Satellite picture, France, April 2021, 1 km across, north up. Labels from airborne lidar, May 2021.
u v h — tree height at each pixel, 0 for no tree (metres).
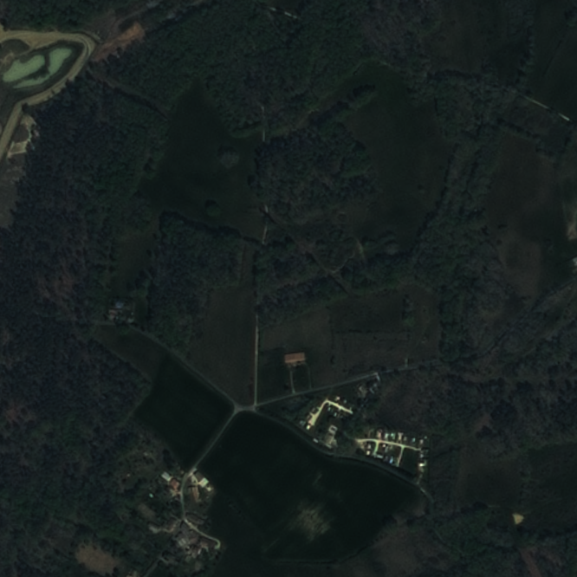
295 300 17
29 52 0
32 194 14
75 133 8
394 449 0
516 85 7
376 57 17
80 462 11
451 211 18
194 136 0
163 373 0
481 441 15
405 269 22
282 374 0
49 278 22
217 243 19
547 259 0
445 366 13
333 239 13
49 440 15
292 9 0
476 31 0
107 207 18
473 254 13
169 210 0
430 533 8
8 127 0
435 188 0
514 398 13
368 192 23
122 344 0
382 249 0
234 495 0
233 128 22
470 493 0
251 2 16
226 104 18
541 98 0
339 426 0
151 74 22
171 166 0
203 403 0
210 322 0
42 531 21
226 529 0
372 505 0
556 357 18
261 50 19
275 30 20
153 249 0
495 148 20
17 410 7
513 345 15
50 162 23
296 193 18
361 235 0
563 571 11
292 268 22
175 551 10
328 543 0
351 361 0
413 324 14
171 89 20
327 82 20
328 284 16
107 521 25
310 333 0
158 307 22
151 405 0
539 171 0
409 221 0
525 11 6
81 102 23
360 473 0
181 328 15
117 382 19
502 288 17
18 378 19
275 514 0
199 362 0
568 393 9
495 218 0
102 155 26
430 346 0
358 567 0
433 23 19
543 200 0
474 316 22
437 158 0
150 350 0
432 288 19
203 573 10
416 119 0
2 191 0
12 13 18
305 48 23
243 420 0
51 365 19
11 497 22
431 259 23
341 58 22
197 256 18
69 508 26
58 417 22
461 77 18
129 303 10
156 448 11
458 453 6
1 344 19
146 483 15
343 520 0
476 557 21
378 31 17
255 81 24
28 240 12
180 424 0
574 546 20
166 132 12
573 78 0
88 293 17
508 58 0
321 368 0
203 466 0
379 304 0
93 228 21
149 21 11
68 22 19
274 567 0
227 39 21
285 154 26
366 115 0
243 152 0
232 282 13
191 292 15
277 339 0
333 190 9
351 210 0
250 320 0
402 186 0
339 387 0
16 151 0
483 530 22
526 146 0
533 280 0
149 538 6
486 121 16
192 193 0
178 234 22
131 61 18
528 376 9
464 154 17
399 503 0
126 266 0
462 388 17
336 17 22
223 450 0
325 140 21
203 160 0
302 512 0
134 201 18
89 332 18
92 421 17
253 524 0
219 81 22
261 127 19
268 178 21
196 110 0
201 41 21
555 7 0
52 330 17
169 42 19
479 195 16
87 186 17
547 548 14
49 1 19
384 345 0
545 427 17
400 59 24
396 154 0
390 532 17
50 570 7
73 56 0
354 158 19
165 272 19
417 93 17
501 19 0
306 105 18
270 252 13
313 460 0
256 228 0
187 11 12
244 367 0
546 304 14
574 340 16
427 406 7
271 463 0
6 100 0
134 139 25
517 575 17
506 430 18
